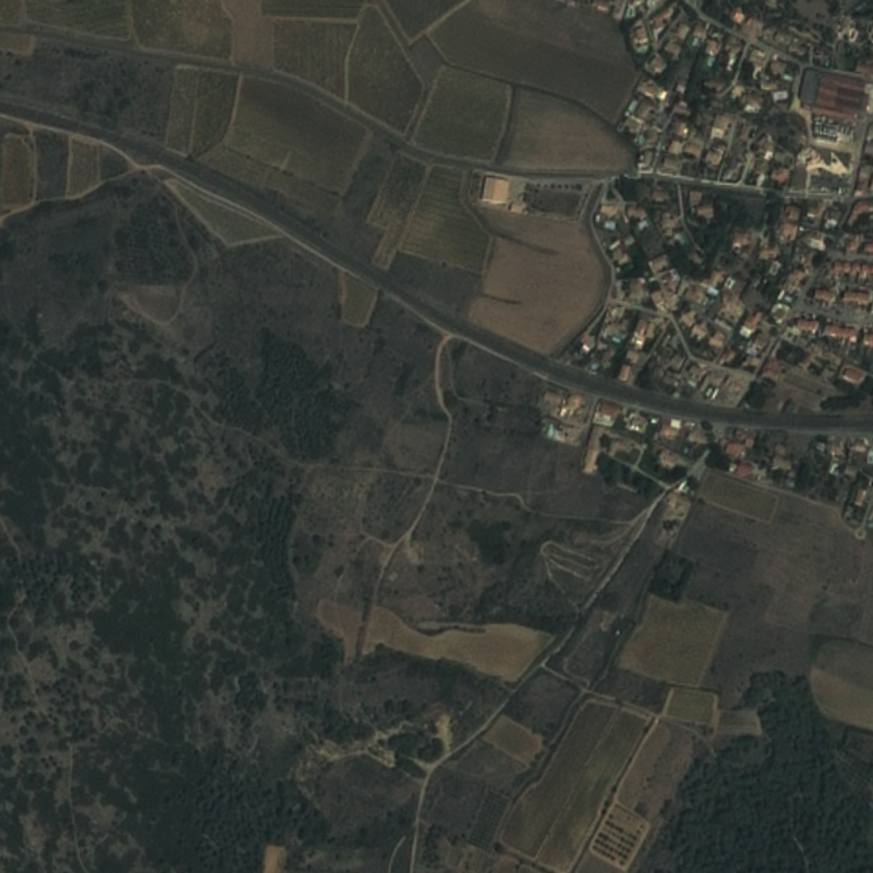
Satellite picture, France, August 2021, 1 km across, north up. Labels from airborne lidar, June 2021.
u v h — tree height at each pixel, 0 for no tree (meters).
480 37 0
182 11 0
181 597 0
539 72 0
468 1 0
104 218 0
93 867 0
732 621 0
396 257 0
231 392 7
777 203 13
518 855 0
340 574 0
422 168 0
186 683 0
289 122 0
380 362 0
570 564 0
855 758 7
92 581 6
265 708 8
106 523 0
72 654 0
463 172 0
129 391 0
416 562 0
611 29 0
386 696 0
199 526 0
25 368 0
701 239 7
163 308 0
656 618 0
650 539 0
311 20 0
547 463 0
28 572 10
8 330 8
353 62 0
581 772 0
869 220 8
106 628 0
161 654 0
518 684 7
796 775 11
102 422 0
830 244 9
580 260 0
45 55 0
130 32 0
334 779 0
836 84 0
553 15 0
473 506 0
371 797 0
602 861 0
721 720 0
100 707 0
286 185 0
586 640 0
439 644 0
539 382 0
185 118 0
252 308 0
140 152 0
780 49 0
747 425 0
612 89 0
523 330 0
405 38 0
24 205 0
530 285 0
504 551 8
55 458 0
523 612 13
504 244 0
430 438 0
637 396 0
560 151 0
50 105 0
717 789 11
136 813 0
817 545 0
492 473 0
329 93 0
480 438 0
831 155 0
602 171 0
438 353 0
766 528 0
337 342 0
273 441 0
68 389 0
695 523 0
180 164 0
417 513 0
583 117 0
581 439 0
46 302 0
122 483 0
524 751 0
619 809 0
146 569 0
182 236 0
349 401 5
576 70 0
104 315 0
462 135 0
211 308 0
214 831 11
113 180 0
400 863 0
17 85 0
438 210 0
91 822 0
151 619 0
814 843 13
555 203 0
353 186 0
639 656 0
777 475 7
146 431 0
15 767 0
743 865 10
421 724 0
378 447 0
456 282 0
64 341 0
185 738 0
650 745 0
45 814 0
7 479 0
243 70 0
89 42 0
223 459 0
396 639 0
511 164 0
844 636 0
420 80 0
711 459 8
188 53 0
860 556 0
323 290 0
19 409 0
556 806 0
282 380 10
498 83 0
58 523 0
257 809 17
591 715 0
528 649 0
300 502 10
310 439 7
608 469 13
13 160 0
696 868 11
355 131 0
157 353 0
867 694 0
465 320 0
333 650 7
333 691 0
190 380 0
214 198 0
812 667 0
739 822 8
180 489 0
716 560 0
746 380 0
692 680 0
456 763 0
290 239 0
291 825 13
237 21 0
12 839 0
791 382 0
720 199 6
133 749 0
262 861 14
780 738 10
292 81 0
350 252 0
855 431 0
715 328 6
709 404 0
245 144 0
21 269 0
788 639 0
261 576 0
